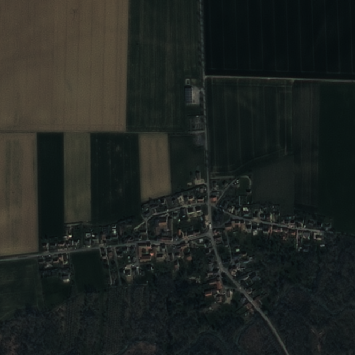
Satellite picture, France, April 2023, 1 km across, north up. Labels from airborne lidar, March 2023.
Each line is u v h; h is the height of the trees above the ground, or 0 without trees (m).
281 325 18
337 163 0
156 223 0
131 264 0
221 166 0
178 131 0
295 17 0
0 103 0
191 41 0
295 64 0
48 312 12
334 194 0
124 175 0
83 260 0
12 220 0
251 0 0
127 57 0
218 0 0
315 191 0
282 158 0
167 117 0
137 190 0
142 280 0
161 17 0
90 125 0
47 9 0
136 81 0
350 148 0
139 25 0
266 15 0
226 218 0
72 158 0
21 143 0
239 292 0
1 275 0
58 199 0
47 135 0
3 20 0
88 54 0
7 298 0
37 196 0
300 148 0
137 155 0
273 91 0
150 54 0
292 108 0
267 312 13
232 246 12
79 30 0
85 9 0
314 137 0
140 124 0
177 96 0
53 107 0
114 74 0
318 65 0
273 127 0
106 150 0
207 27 0
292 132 0
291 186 0
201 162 0
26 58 0
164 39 0
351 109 0
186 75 0
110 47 0
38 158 0
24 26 0
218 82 0
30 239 0
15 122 0
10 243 0
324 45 0
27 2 0
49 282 0
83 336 16
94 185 0
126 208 0
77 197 0
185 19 0
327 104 0
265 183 0
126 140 0
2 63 0
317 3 0
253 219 0
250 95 0
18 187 0
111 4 0
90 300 22
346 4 0
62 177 0
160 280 7
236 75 0
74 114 0
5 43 0
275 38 0
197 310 15
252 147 0
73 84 0
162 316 22
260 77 0
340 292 20
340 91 0
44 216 0
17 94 0
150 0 0
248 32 0
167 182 0
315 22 0
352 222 0
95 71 0
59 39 0
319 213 0
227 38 0
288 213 0
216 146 0
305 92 0
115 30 0
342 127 0
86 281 0
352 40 0
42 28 0
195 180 0
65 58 0
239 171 0
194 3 0
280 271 0
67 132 0
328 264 37
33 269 0
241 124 0
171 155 0
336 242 6
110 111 0
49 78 0
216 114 0
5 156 0
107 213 0
